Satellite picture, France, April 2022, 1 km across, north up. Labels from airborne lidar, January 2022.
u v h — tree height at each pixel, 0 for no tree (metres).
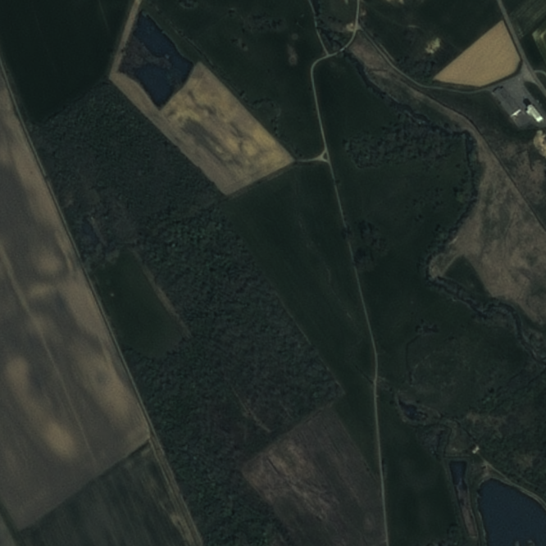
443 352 0
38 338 0
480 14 0
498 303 10
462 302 0
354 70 0
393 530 0
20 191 0
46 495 0
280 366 14
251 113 0
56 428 0
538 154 0
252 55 0
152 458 0
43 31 0
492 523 0
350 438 0
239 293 13
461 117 0
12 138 0
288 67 0
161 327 0
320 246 0
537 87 0
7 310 0
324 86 0
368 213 0
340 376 0
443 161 21
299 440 0
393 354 0
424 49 0
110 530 0
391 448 0
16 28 0
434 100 0
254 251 0
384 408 0
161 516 0
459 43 0
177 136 0
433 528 0
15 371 0
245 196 0
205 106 0
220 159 0
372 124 0
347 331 0
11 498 0
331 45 12
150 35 0
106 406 0
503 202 0
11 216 0
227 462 15
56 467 0
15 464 0
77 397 0
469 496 0
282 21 9
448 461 0
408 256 0
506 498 0
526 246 0
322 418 0
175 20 0
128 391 0
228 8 0
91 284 0
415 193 0
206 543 7
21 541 0
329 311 0
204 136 0
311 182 0
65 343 0
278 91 0
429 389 0
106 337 0
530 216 0
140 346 0
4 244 0
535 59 0
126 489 0
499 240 0
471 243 0
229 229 15
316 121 0
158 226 14
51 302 0
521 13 0
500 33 0
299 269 0
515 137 0
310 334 0
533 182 0
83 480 0
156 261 12
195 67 0
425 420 0
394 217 0
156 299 0
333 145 0
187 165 8
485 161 0
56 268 0
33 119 0
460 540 13
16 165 0
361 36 0
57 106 0
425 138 16
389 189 0
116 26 0
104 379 0
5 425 0
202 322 15
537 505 0
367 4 0
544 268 0
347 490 0
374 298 0
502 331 0
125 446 0
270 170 0
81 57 0
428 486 0
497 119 0
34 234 0
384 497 0
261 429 15
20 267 0
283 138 7
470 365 0
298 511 0
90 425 0
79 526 0
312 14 0
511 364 0
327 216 0
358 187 0
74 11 0
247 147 0
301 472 0
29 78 0
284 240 0
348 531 0
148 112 0
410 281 0
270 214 0
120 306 0
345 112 0
